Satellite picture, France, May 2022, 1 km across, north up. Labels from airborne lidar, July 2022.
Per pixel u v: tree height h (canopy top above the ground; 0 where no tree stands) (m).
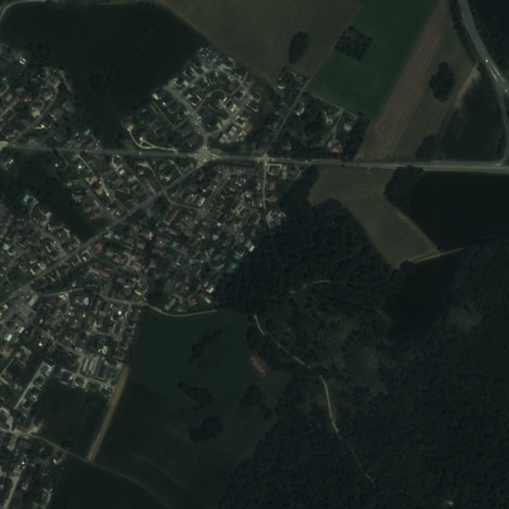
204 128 0
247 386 0
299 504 31
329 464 30
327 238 27
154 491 0
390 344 0
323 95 0
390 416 31
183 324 0
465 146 0
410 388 28
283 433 21
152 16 0
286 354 22
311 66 0
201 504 0
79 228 0
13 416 10
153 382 0
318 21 0
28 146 0
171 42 0
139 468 0
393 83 0
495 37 16
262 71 0
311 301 21
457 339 27
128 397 0
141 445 0
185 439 0
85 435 0
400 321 0
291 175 6
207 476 0
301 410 25
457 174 0
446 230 0
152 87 0
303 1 0
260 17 0
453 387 30
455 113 0
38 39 0
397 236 0
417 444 32
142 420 0
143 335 0
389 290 17
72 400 0
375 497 29
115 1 0
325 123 0
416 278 0
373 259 22
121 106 0
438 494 30
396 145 0
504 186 0
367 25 0
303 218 24
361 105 0
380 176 0
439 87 23
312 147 14
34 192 19
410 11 0
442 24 0
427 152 20
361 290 19
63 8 0
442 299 0
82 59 0
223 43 0
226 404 0
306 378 26
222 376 0
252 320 12
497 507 25
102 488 0
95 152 0
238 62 0
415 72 0
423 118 0
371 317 29
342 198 0
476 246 24
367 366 0
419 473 34
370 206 0
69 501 0
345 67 0
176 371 0
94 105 0
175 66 0
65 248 9
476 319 0
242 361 0
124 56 0
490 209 0
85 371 0
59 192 20
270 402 0
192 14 0
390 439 27
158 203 12
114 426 0
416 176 20
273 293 22
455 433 33
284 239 23
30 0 0
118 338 0
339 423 0
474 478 25
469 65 0
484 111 0
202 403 12
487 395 21
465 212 0
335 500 28
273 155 11
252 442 0
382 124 0
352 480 27
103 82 15
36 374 0
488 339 9
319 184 0
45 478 7
